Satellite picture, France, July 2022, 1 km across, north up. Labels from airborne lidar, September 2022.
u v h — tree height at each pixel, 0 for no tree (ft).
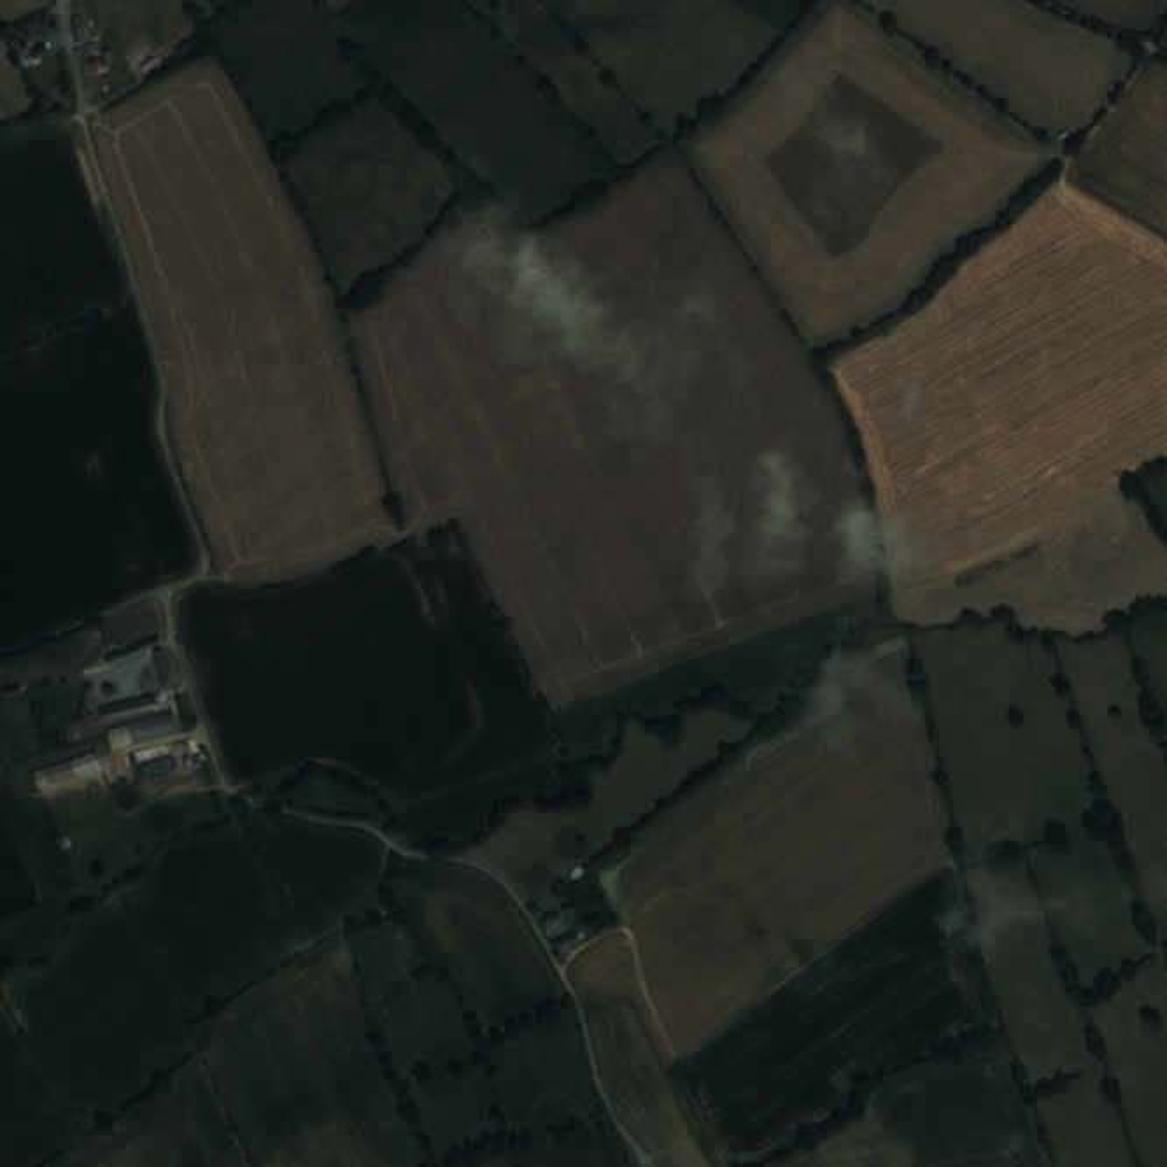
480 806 0
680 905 0
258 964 0
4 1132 0
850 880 0
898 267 0
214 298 0
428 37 0
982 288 0
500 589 0
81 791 0
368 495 0
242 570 0
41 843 0
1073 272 0
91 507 0
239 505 0
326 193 0
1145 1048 0
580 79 0
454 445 0
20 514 0
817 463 0
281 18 0
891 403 0
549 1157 0
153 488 0
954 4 0
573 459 0
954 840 58
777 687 0
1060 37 0
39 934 0
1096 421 0
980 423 0
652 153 22
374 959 0
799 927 0
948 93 0
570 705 0
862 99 0
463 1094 0
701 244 0
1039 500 0
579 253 0
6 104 0
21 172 0
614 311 0
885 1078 40
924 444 0
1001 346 0
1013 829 0
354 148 0
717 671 0
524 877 0
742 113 0
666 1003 0
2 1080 0
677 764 0
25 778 0
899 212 0
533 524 0
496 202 29
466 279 0
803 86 0
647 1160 0
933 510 0
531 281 0
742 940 0
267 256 0
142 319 0
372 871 0
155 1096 30
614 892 0
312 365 0
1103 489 0
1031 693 0
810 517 0
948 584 0
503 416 0
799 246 0
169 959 0
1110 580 0
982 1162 0
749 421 0
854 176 0
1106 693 0
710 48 0
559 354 0
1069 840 61
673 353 0
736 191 0
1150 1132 0
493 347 0
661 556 0
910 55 0
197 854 0
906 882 0
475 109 0
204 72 0
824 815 0
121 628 0
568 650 0
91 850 0
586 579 0
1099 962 0
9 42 40
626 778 0
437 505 0
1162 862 0
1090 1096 0
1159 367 0
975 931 62
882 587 28
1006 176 0
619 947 0
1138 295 0
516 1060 0
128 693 0
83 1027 0
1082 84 0
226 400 0
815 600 0
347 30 0
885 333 31
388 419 0
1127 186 0
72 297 0
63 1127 0
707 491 0
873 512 45
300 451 0
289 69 0
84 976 0
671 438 0
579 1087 0
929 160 0
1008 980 0
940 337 0
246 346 0
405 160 0
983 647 0
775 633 0
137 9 0
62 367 0
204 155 0
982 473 0
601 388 0
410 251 19
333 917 0
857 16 0
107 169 0
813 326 0
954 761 0
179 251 0
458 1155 53
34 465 0
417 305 0
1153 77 0
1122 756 0
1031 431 0
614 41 0
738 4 0
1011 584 0
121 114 0
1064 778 0
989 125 0
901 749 0
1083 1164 0
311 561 0
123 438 0
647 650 0
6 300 0
